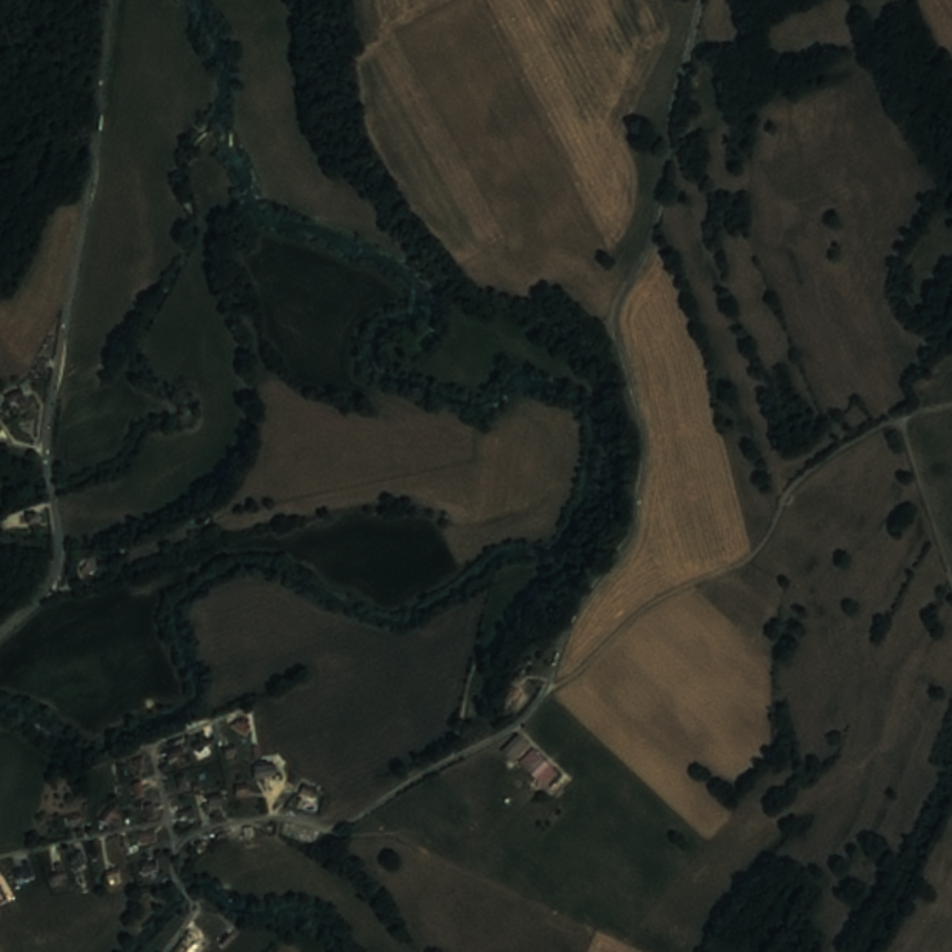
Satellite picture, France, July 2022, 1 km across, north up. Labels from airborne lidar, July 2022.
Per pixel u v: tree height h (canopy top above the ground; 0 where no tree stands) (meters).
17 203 21
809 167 0
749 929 13
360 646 0
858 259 0
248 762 0
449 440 0
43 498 13
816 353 0
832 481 0
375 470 0
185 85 0
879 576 0
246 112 0
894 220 0
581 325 15
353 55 17
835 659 0
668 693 0
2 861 0
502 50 0
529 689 0
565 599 24
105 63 0
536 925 0
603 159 0
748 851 0
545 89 0
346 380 0
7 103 23
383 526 0
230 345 0
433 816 0
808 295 0
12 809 0
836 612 0
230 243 19
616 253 0
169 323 0
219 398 0
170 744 6
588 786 0
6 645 0
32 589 22
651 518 0
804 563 0
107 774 0
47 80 27
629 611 0
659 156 18
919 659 0
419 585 0
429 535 0
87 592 18
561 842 0
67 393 0
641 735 0
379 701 0
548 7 0
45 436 0
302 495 0
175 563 15
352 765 0
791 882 13
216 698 0
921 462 0
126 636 0
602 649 0
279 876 0
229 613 0
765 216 0
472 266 0
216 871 0
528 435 0
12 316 0
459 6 0
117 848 0
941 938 0
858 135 0
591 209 0
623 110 0
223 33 20
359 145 7
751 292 0
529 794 0
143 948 7
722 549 0
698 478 0
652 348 0
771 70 21
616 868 0
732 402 21
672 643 0
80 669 0
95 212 0
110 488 0
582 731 0
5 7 18
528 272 0
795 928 14
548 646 9
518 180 0
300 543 0
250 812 0
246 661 0
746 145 14
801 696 0
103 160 0
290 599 0
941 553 0
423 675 0
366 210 0
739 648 0
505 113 0
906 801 0
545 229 0
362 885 18
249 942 0
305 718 0
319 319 0
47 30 27
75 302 0
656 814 0
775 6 19
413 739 0
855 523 0
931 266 0
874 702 0
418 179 0
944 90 9
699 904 0
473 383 0
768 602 0
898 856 10
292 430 0
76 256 0
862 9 20
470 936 0
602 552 20
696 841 0
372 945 0
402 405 0
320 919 15
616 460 8
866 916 20
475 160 0
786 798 12
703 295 0
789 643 19
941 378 0
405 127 0
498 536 0
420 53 0
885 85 18
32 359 0
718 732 0
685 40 0
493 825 0
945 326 17
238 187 11
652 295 0
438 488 0
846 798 0
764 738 0
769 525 0
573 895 0
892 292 12
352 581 0
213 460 0
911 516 14
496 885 0
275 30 0
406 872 0
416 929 0
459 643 0
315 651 0
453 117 0
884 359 0
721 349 0
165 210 0
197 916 0
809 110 0
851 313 0
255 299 16
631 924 0
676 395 0
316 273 0
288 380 11
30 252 15
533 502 0
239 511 13
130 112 0
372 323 13
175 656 10
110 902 0
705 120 0
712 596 0
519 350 0
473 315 27
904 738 0
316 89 23
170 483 0
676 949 0
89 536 8
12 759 0
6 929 0
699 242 0
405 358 24
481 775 0
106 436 0
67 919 0
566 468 0
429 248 17
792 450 22
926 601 0
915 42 10
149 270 0
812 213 0
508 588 0
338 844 19
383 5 0
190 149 23
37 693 0
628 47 0
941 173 8
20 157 21
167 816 0
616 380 14
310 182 0
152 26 0
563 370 0
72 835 8
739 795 12
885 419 7
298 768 0
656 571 0
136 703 0
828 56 25
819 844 0
